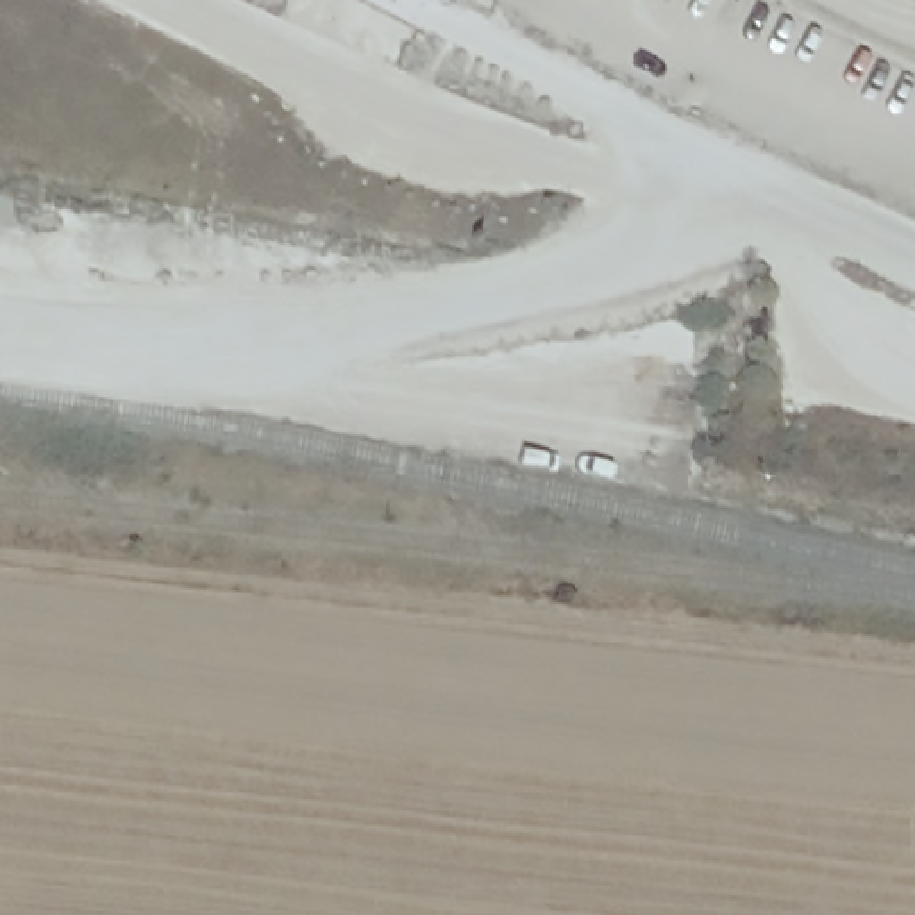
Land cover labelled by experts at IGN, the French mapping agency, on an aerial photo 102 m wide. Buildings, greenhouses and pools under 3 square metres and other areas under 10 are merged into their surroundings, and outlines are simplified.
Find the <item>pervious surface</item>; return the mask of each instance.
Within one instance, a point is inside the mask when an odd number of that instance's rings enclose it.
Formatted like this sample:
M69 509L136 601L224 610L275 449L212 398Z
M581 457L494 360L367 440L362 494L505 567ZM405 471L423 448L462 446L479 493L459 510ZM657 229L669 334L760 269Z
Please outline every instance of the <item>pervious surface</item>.
M336 608L365 608L372 618L393 622L515 629L633 647L715 651L740 658L776 658L797 665L915 676L915 643L801 625L715 622L693 618L686 611L583 611L558 600L490 597L472 590L447 593L368 579L279 579L254 572L207 572L79 558L61 550L0 547L0 575L68 575L79 586L143 590L182 600L207 597L232 608L250 604L254 597L315 600Z
M543 25L558 39L590 43L593 54L611 68L625 57L636 57L636 68L651 75L665 75L668 64L686 68L690 89L679 100L683 107L722 111L733 122L743 122L776 143L790 143L801 154L847 168L854 179L894 186L915 197L915 0L511 0L533 18L533 25Z
M250 239L243 232L222 236L214 229L200 229L189 207L182 207L168 225L114 222L111 214L71 211L61 204L39 204L36 214L18 222L14 200L0 193L0 397L57 404L71 418L71 425L111 422L114 415L122 415L129 429L139 429L147 436L197 436L225 450L282 454L290 461L325 461L329 454L350 454L357 461L379 461L397 468L418 497L461 490L497 508L554 508L561 511L561 522L608 525L615 533L668 533L672 543L697 558L726 558L736 565L758 565L761 572L826 579L833 583L836 597L915 604L915 547L872 540L861 533L833 533L811 522L783 522L743 508L690 500L686 483L697 483L701 475L693 436L708 429L708 415L701 404L690 400L690 390L701 372L697 361L693 332L676 322L676 307L690 304L693 297L715 297L733 279L743 279L740 257L751 250L761 261L768 261L776 282L779 297L772 311L772 329L783 361L786 411L829 404L876 418L915 422L915 307L901 307L876 290L851 282L847 275L840 275L840 261L858 261L915 290L915 218L883 207L869 197L858 197L851 189L840 189L833 182L822 182L761 150L740 147L729 136L672 118L651 100L636 97L633 89L593 75L579 61L536 46L533 39L508 29L504 18L483 18L447 0L93 0L114 14L132 18L136 25L147 25L268 86L272 93L279 93L282 107L290 107L297 122L332 157L347 157L379 175L407 179L415 186L440 193L515 197L558 189L579 197L579 207L558 229L543 232L540 239L518 250L479 261L411 268L379 254L311 254L304 247ZM511 71L515 82L529 82L533 93L547 93L554 100L558 118L575 118L586 125L586 139L554 136L540 125L468 104L432 82L422 82L411 71L400 71L397 50L415 29L429 29L454 50L461 46L483 61L493 61L504 71Z

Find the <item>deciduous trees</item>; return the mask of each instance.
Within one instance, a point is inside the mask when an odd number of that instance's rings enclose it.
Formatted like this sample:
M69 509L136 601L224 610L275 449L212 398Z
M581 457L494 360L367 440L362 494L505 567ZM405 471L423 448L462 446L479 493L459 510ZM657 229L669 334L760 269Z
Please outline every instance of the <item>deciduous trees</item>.
M768 432L786 425L786 411L783 361L772 329L765 336L754 336L747 329L743 357L711 347L697 361L701 372L690 390L690 400L701 404L708 415L736 400L743 404L747 425Z
M693 297L690 304L676 307L676 322L693 332L718 329L729 322L733 307L715 297Z
M768 290L776 282L768 261L761 261L751 250L740 257L743 279L747 290Z

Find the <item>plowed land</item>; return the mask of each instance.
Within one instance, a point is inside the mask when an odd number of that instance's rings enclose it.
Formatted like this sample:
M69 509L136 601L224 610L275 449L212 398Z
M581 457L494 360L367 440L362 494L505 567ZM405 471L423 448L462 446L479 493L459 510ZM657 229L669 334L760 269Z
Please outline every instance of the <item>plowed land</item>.
M79 586L68 575L0 575L0 915L915 915L915 676L797 665L776 658L740 658L715 651L633 647L515 629L393 622L372 618L365 608L336 608L315 600L254 597L250 604L232 608L207 597L182 600L143 590Z

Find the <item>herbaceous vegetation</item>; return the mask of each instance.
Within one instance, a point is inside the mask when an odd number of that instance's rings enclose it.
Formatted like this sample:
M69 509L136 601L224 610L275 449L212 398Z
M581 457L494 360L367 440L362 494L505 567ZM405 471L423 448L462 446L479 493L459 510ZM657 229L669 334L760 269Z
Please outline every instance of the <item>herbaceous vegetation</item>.
M511 71L504 71L493 61L483 61L461 46L454 50L429 29L415 29L397 50L400 71L411 71L422 82L432 82L468 104L540 125L554 136L586 139L586 125L575 118L558 118L554 100L547 93L533 93L529 82L515 82Z
M636 97L651 100L672 118L729 136L740 147L761 150L822 182L833 182L840 189L851 189L858 197L869 197L883 207L915 218L915 197L894 186L854 179L847 168L801 154L790 143L776 143L743 122L733 122L722 111L683 107L679 100L690 89L686 68L668 64L665 75L651 75L636 68L636 57L625 57L611 68L593 54L590 43L558 39L543 25L533 25L533 18L511 0L447 0L483 18L504 18L508 29L533 39L536 46L579 61L593 75L633 89Z
M207 572L254 572L279 579L368 579L447 593L472 590L490 597L558 600L583 611L686 611L693 618L715 622L801 625L915 643L915 604L836 597L833 583L826 579L761 572L758 565L736 565L726 558L697 558L672 543L668 533L615 533L608 525L561 522L561 511L554 508L497 508L461 490L418 497L397 468L379 461L357 461L350 454L329 454L325 461L290 461L282 454L225 450L197 436L147 436L139 429L129 429L122 415L114 415L111 422L71 425L71 418L57 404L0 397L0 547L61 550L79 558Z
M851 282L876 290L901 307L915 307L915 290L858 261L840 261L840 275L847 275Z
M708 429L693 436L701 475L697 483L686 483L690 500L743 508L783 522L811 522L833 533L861 533L872 540L915 547L915 422L876 418L829 404L786 411L786 425L768 432L747 425L743 404L736 400L708 415Z
M407 179L379 175L347 157L332 157L297 122L290 107L282 107L279 93L272 93L268 86L147 25L136 25L132 18L114 14L93 0L0 0L0 193L14 200L18 222L36 214L39 204L61 204L71 211L111 214L114 222L168 225L182 207L189 207L200 229L214 229L222 236L243 232L250 239L304 247L311 254L379 254L411 268L479 261L518 250L540 239L543 232L558 229L579 207L579 197L558 189L515 197L440 193L415 186Z
M754 336L765 336L772 329L772 311L779 297L776 282L768 290L747 290L743 279L733 279L715 297L733 307L729 322L718 329L693 332L697 361L711 347L743 357L747 329Z

